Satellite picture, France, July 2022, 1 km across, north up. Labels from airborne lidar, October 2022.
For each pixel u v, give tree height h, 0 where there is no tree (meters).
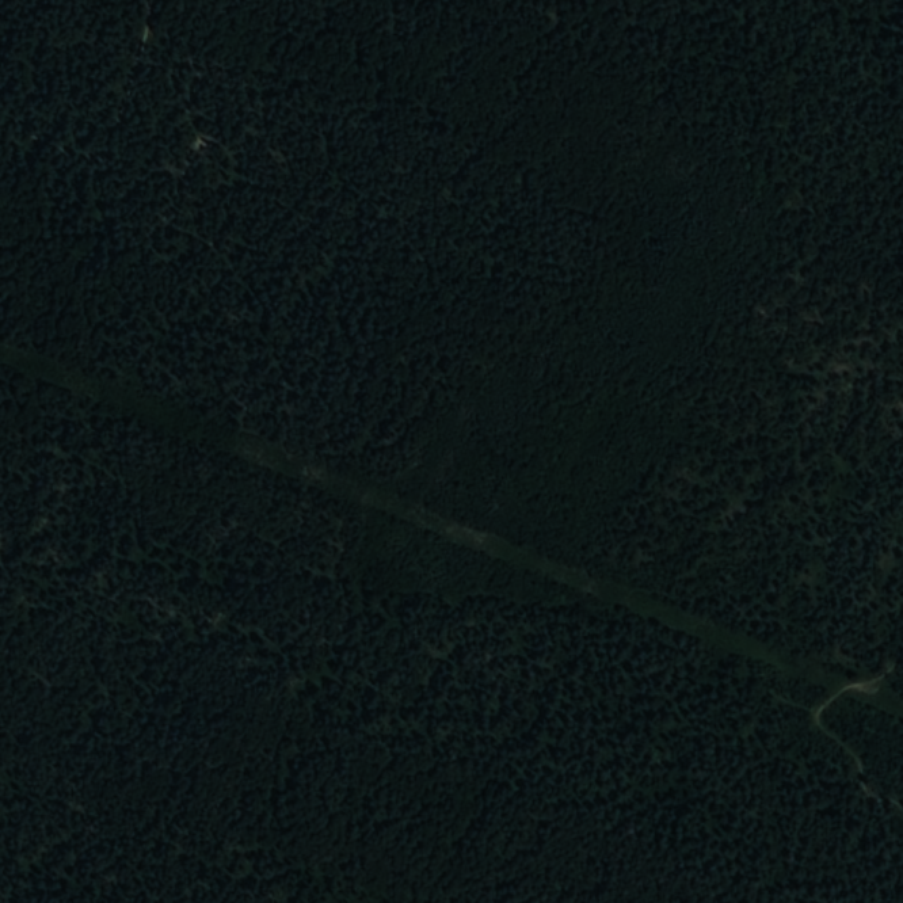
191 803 29
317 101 15
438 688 23
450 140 30
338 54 27
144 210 23
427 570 12
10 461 29
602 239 18
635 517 22
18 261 26
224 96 19
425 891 25
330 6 24
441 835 24
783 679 6
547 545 15
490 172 27
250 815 23
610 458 6
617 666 8
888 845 16
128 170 27
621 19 23
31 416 27
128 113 29
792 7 19
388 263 25
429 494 9
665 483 22
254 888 25
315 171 26
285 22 16
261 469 10
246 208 23
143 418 6
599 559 12
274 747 26
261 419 9
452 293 20
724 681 25
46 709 23
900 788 17
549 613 22
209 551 28
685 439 7
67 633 22
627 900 24
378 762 27
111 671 31
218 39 20
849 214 22
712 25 13
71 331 25
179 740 30
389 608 22
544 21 22
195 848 25
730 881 27
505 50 20
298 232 26
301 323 24
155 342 31
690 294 15
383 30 24
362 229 31
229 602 34
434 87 23
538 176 22
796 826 20
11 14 32
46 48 16
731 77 22
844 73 14
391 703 9
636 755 8
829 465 9
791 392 18
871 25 29
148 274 19
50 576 31
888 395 24
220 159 19
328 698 15
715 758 16
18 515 26
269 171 24
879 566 13
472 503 7
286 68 25
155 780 29
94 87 26
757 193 19
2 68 32
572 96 16
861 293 30
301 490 8
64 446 21
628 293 14
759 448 23
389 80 35
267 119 23
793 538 10
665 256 22
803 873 20
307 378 14
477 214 27
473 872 31
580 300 20
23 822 22
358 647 24
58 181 8
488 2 27
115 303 30
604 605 7
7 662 21
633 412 11
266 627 20
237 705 23
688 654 26
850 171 27
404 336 29
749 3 18
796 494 20
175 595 9
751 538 21
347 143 30
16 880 25
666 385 16
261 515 13
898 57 22
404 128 26
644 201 17
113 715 27
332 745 29
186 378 31
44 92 26
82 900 25
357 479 6
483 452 9
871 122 12
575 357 15
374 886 25
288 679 28
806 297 24
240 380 28
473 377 12
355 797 31
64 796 24
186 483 18
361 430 35
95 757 28
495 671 32
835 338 19
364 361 33
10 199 27
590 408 7
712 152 19
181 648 24
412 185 18
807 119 14
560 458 10
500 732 20
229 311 27
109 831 22
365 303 36
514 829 17
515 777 30
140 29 6
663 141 23
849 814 23
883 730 17
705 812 8
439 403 17
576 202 28
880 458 6
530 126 24
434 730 19
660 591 7
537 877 20
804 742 13
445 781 25
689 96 24
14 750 30
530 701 22
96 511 14
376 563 8
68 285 24
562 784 22
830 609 12
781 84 22
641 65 23
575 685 24
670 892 23
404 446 22
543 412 16
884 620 11
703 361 16
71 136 27
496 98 20
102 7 10
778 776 17
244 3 23
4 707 22
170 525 19
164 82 15
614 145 14
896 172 22
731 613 20
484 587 8
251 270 27
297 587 22
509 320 26
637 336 16
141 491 12
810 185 10
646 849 21
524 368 20
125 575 24
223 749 22
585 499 9
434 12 30
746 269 14
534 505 15
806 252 25
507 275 21
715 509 18
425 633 16
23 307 21
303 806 26
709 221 14
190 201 21
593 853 23
